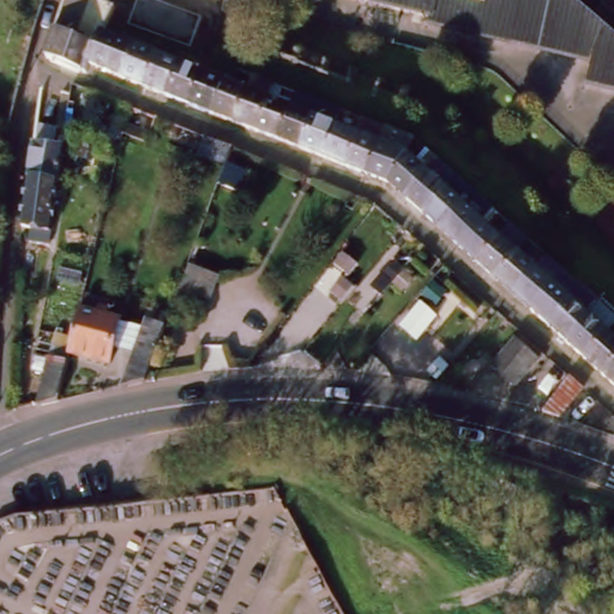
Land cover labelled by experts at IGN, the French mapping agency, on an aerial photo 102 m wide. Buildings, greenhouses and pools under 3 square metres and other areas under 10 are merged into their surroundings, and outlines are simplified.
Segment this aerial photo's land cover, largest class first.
<instances>
[{"label":"impervious surface","instance_id":"1","mask_svg":"<svg viewBox=\"0 0 614 614\"><path fill-rule=\"evenodd\" d=\"M55 10V0H43L26 43L22 72L19 79L12 82L10 108L2 118L5 122H10L12 134L5 142H0V518H7L19 511L34 513L46 508H70L65 523L60 525L7 530L0 537V580L12 583L19 573V568L10 564L14 549H41V556L31 576L26 578L24 590L17 597L0 592V614H98L103 607L108 583L115 576L125 578V592L132 614H154L156 609L146 600V595L154 590L158 571L163 568V564H175L185 554L194 556L197 566L175 571V578L182 580L180 597L175 600L177 614H185L189 604H204V595L194 592V588L206 571H221L218 559H213V549L218 540H228L235 535L233 525H206V542L201 549L192 544L194 532L165 535L158 540L151 559L127 561V542H137L134 530H163L173 523H201L218 518L257 520L240 561L233 566V578L221 602L216 604L221 614H357L350 592L336 568V561L329 552L326 540L307 520L300 499H293L288 494V484L283 480H266L252 482L245 489H257V501L249 506L213 508L209 494H204L199 511L154 513V506L146 499H156L158 484L151 472L158 465V461L154 451L163 449L165 444H177L185 429L192 425L197 422V417H201L209 408L218 403L225 405V420L240 417L242 422L252 415H293L295 405L305 403L324 417H338L343 432H369L372 427L391 420L398 408L427 410L432 420L449 422L451 429H468L475 444L484 446L487 458L535 470L542 494L547 496L549 508L556 501H561L571 516L590 513V508L595 506L602 508L604 518L614 511V398L597 386L576 393L580 408H576L573 415H542L544 393L537 391L532 381H520L511 386L504 379L499 367V341L496 333L482 329L465 343V348L458 355H453L446 362V369L439 377L429 374V369H408L401 362H393L389 353L365 362L362 367L353 362H343L338 367L321 365L317 357L302 350V343H288L281 336L293 314L278 309L276 302L261 290L259 281L269 261L278 254L283 235L288 233V225L297 218L305 194L312 189L314 177L300 175L297 189L290 197V206L281 216V225H276L273 233L264 230L259 249H254L247 257V271L242 276L225 281L223 285L218 283L204 290L199 285L182 283L177 285V293L182 297L197 300L209 309V317L194 331L187 333L185 343L180 345L182 357L197 353L201 343L209 348V360L204 367H185L165 377H151L132 379L127 384H118L110 389H94L89 393L70 396V381L74 377L77 362V357L62 345H41L43 321L46 302L41 300L36 302L31 317H22V331L14 333V273H26V285L31 290H58V281L53 276V257L58 252V242L50 235V228L46 225L31 223V230H17V204L26 165L29 134H41L43 125H53L65 134L67 120H77L72 103H79V91L70 94V82L77 74L62 72L60 67L46 60V55L38 53L41 19ZM12 343L22 345V405L7 410L2 403V353ZM38 355H58L65 362L58 398L36 401L34 391L29 389L31 360ZM122 501H142V516L120 520L98 518L96 506ZM82 532H106V542L113 544V552L94 578L89 602H70L60 600V592H77V588L82 585L74 578H70L72 561L86 559L79 556V542L53 544V537ZM53 559L62 561L60 576L48 590V597H36V585L46 578ZM154 7L170 10L175 14H192L201 22L213 10L223 12V7L230 0H142ZM338 10L345 14H357L362 22H386L410 34L437 36L441 48H446L453 58L470 65L472 70H489L499 74L511 86V94H530L540 101V106L544 120L561 137L568 132L576 134L578 154H585L595 165H600L607 175L614 177V86L590 82V60L578 55L576 50L532 46L508 38H496L494 43H489L482 38L480 24L470 12L453 17L441 26L427 17V12L391 0H336ZM607 24L614 26V0H583ZM300 46H293L290 53L281 48L276 58L312 70L317 74H326V58L302 60ZM413 259H420L425 264V249H413L403 235L393 233V245L374 261V266L365 276L357 283L360 295H350L345 302L355 307L350 314V324L357 326L365 312L369 309L372 300H377V290H386L391 285L398 273L410 276H415Z\"/></svg>","mask_w":614,"mask_h":614},{"label":"herbaceous vegetation","instance_id":"2","mask_svg":"<svg viewBox=\"0 0 614 614\"><path fill-rule=\"evenodd\" d=\"M307 5L312 7V17L300 29L288 31L281 41V48L290 53L293 46H300L302 60L326 58V74H317L312 70L276 58H269L261 65H249L230 55L225 48L223 12L213 10L201 22L192 53L187 55V60L192 62V79L235 94L245 101H254L259 106L269 98L273 84L293 86L314 96H324L326 91L338 98L353 101L343 118H379L386 125L398 127L401 144L408 149V154H420V158H427V168L441 177L446 189L439 194V199L446 192H456L463 194L477 213L496 209V213L513 218L532 245H547L552 254L566 261L573 276L583 278L592 290H597V300H607L614 307V201L604 204L597 213H580L571 204V189L576 185V177L568 168V161L573 154H578L576 134L568 132L561 137L544 120L540 106L530 113L532 132L516 144H504L494 134L492 122L499 110V98L511 94V86L499 74L489 70H472L470 86L463 91H449L441 82L427 77L420 67V53L427 48H441L437 36L410 34L386 22H362L357 14H345L338 10L336 0H307ZM353 34L379 36V46L369 50H353ZM393 96L413 98L425 108V115L420 120H408V115L393 106ZM26 43L10 46L0 41V142H5L12 134L10 122H5L2 118L10 108L12 82L19 79L22 72ZM77 120L89 122L94 130L108 134L113 146L110 163L101 165L91 156L89 144H84L74 158L70 156L67 146L58 151V165H48L46 161L41 163L43 173L53 177L55 187V194L50 199L53 216H48L46 225L50 228V235L58 242V252L53 257V276L58 281V290H46L48 297L41 300L46 302L43 321L72 317L77 302L91 309L113 312L122 321H161L165 319L168 300L158 293V285L173 281L177 285L182 283L187 266L194 264L209 271H218V283L223 285L225 281L242 276L247 271V257L254 249H259L264 230L273 233L276 225H281V216L290 206V197L297 189L300 175L288 165H278L276 161L261 163L259 154L247 151L245 146H230L221 139H216L211 151L197 137H189V127L175 122L170 125L144 108H134L130 101L120 98L113 108L98 101L96 96L79 98V103H72ZM170 156L177 163L201 161L204 173L209 175V180L187 175V206L180 199H175L168 187L165 168L170 163ZM65 173L79 175L86 182H98L106 192V204L101 211L91 213V218L77 230L60 233L58 223L70 201V189L62 185ZM233 189L252 194L257 201H261V206L254 213L249 228H230L225 235H218V204L228 201L233 197ZM96 259L101 264L113 261V269L125 273V293L110 295L103 290L101 281L94 276ZM331 206L338 216L348 221L338 237L326 235V249H331L336 257L350 254L355 259V266L362 269L365 276L374 266V261L393 245V233L403 235L413 249H425L410 230H403L396 221H391L379 206L369 204L365 197L314 177L312 189L305 194L297 218L288 225V233L283 235L278 254H288L295 261V266L293 278L285 285V295H281L276 302L278 309L293 314L297 305L312 293L314 283L326 269L319 259L309 257L305 247V233L309 230L312 209ZM415 276H410L408 290H396L391 285L386 290H377V300H372L369 309L365 312L357 326L350 324V314L355 307L345 302L329 314L326 324L314 333V338L302 343V350L317 357L321 365L338 367L343 362H353L362 367L365 362L389 353L393 362H401L408 369H429V374L439 377L446 369V362L453 355H458L465 348V343L482 329L496 333L499 341L513 336V326L487 305H470L468 300L458 302L456 312L444 321V326L432 331L427 329L420 338H410L398 326V319L415 302H422L420 295L427 290L425 281L429 278V269L425 264L420 259H413ZM288 494L293 499H300L307 520L326 540L329 552L336 561V568L350 592L357 614H530L528 600L511 602L499 592L472 607H465L461 602V592L484 580L480 576H468L463 566H458L456 561L434 554L429 547H425L422 540L413 537V530H403L393 520V513H365L355 508V499L343 492L341 480L331 470L324 477L314 475L307 487L288 484ZM360 537H367L391 552L413 554L420 568L410 578V583L396 592H384L381 585L372 578V571L360 554Z\"/></svg>","mask_w":614,"mask_h":614},{"label":"building","instance_id":"3","mask_svg":"<svg viewBox=\"0 0 614 614\"><path fill-rule=\"evenodd\" d=\"M201 22L192 14H175L170 10L154 7L142 0H55V10L41 19L38 53L46 55V60L60 67L62 72L77 74L70 82V94L79 91V98L96 96L98 101L113 108L120 98L130 101L134 108H144L170 125L175 122L189 127V137H197L211 151L216 139H221L230 146H245L247 151L259 154L261 163L276 161L278 165H288L300 175L314 177L365 197L369 204L379 206L391 221H396L403 230H410L425 249V264L429 269V278L425 281L427 290L420 295L422 302H415L398 319V326L410 338H420L427 329L432 331L444 326V321L456 312L458 302L468 300L470 305H487L513 326V336L499 341V367L504 379L511 386L520 381H532L537 391L544 393L542 415H573L576 408H580L576 393L597 386L614 398V307L607 300H597V290H592L583 278L573 276L566 261L552 254L547 245H532L513 218L496 213V209L477 213L463 194L456 192H446L439 199V194L446 189L441 177L427 168V158H420V154H408V149L401 144L398 127L386 125L379 118H343L353 101L338 98L326 91L324 96H314L293 86L273 84L269 98L259 106L254 101H245L235 94L192 79V62L187 60V55L192 53ZM427 12V17L441 26L453 17L470 12L480 24L482 38L489 43H494L496 38H508L532 46L576 50L578 55L590 60V82L614 86V26L607 24L583 0H391ZM67 146L65 134L53 125H43L41 134H29L26 165L17 204V230H31V223L46 225L48 216H53L50 199L55 194V187L53 177L43 173L41 163L46 161L48 165H58V151ZM365 276L362 269L355 266V259L350 254L336 257V261L326 269L314 283L312 293L297 305L293 314L281 336L288 343H302L314 338V333L326 324L329 314L345 302L350 295H360L357 283ZM182 283L199 285L204 290L218 283V271H209L194 264L187 266ZM391 285L396 290H408L410 276L398 273ZM161 331V321H122L113 312L91 309L77 302L72 317L43 321L41 345H62L77 357V362L96 369L103 379H115L125 372L132 379L151 377V355L158 348L156 336ZM22 345L12 343L2 353V403L7 410L22 405ZM65 362L58 355H38L31 360L29 389L34 391L36 401L58 398Z\"/></svg>","mask_w":614,"mask_h":614},{"label":"deciduous trees","instance_id":"4","mask_svg":"<svg viewBox=\"0 0 614 614\"><path fill-rule=\"evenodd\" d=\"M353 50H369L379 46V36L353 34ZM420 67L427 77L441 82L449 91H463L470 86L472 70L470 65L453 58L446 48H427L420 53ZM540 106V101L530 94H511L499 98V110L492 122L494 134L504 144H516L532 132L530 113ZM393 106L408 115V120H420L425 115V108L413 98L393 96ZM67 146L70 156L74 158L84 144H89L91 156L101 165L110 163L113 146L108 134L94 130L89 122L77 120H67L65 134ZM568 168L576 177V185L571 189V204L580 213H597L604 204L614 201V177L607 175L600 165H595L585 154H573L568 161ZM168 187L175 199H180L187 206V175L209 180V175L204 173L201 161L177 163L170 156V163L165 168ZM62 185L70 189V201L58 223L60 233L77 230L91 218V213L101 211L106 204V192L98 182H86L79 175L65 173ZM261 206V201H257L252 194L233 189V197L228 201L218 204V235H225L230 228H249L254 213ZM348 221L338 216L331 206L312 209L309 230L305 233V247L309 257L319 259L326 269L336 261V257L331 249H326V235L338 237ZM295 266V261L288 254H278L269 261L259 281L261 290L276 302L281 295H285V285L293 278ZM94 276L101 281L103 290L110 295L125 293V273L113 269V261L101 264L96 259ZM158 293L168 300L165 319L170 326H177L187 333L194 331L209 317V309L197 300L182 297L177 293V285L173 281L158 285ZM225 405L218 403L209 408L201 417H197V422L192 425L194 453L211 470L228 461L225 453L213 451L216 441L223 439V427H235L233 439L252 434L254 449L261 451L269 461L290 463L295 468L312 470L314 475L324 477L331 470L329 461L317 458L314 441L329 439L333 434L338 439V451L357 453V458L365 465H372L374 456L391 444L429 453L434 463V475L425 484L429 494V520L422 530H413V537L422 540L425 547H429L434 554L456 561L458 566H463L468 576H480L484 580L511 576L516 559L528 561L530 556L549 566L552 571L544 585H535L523 592H499L511 602L528 600L530 614H535L542 604H554L561 595L568 600L571 607H576L588 595L592 600V614H614V511L604 518L602 508L595 506L590 508V513L571 516L561 501H556L549 508V537L540 540L537 547L528 542V535L518 530L516 520L508 518L506 508L513 504V499L528 501L530 496L542 494L535 470L487 458L484 446L475 444L468 429H451L449 422L432 420L427 410L398 408L391 420L372 427L369 432H343L338 417H324L305 403L295 405L293 415H252L242 422L240 417L225 420ZM492 484L501 489V501L496 508L475 513L470 520L451 513V499L468 501L477 489L484 492ZM580 542H592V549L600 554L597 578L588 580L583 576L588 571V559H571L564 554V547H573Z\"/></svg>","mask_w":614,"mask_h":614},{"label":"coniferous trees","instance_id":"5","mask_svg":"<svg viewBox=\"0 0 614 614\"><path fill-rule=\"evenodd\" d=\"M223 12L225 48L230 55L249 65H261L269 58H276L281 48V41L288 31L300 29L312 17V7L307 5V0H230L223 7ZM187 333L177 326H170L165 319L161 321V331L156 336L158 348L163 353H170V357H182L180 345L185 343ZM317 458L329 461L331 470L341 480L343 492L355 499V508L365 513H393V520L403 530H422L429 520V494L425 484L434 475V463L429 453L391 444L374 456L372 465H365L357 458V453L338 451V439L333 434L329 439L314 441ZM501 501V489L492 484L484 492L477 489L468 501L451 499V513L470 520L475 513L496 508ZM508 518L516 520L518 530L528 535V542L537 547L540 540L549 537V508L547 496L542 494L530 496L528 501L513 499V504L506 508ZM564 554L571 559H588V571L583 576L588 580L597 578L600 554L592 549V542H580L573 547H564Z\"/></svg>","mask_w":614,"mask_h":614},{"label":"pervious surface","instance_id":"6","mask_svg":"<svg viewBox=\"0 0 614 614\"><path fill-rule=\"evenodd\" d=\"M213 508L249 506L257 501V489H245L225 487V492L209 494ZM204 494L156 499H146L154 506V513L199 511ZM98 518L120 520L142 516V501H122L96 506ZM70 508H46L34 513L19 511L7 518H0V537L7 530L60 525L65 523ZM233 525L235 535L228 540H218L213 549V559H218L221 571H206L194 588V592L204 595V604H189L185 614H221L216 604L221 602L233 578V566L240 561L257 520L218 518L201 523H173L163 530H134L137 542H127V561L151 559L158 540L165 535L194 532L192 544L201 549L206 542V525ZM79 542V556L86 559L72 561L70 578H74L82 585L77 588V592H60V600L70 602H89L94 578L113 552V544L106 542V532H82L53 537V544ZM41 556V549H14L10 564L19 568V573L12 583L0 580V592L17 597L24 590L26 578L31 576ZM197 566L194 556L185 554L175 564H163V568L158 571L154 590L146 595V600L156 609L154 614H177L175 600L180 597L182 580L175 578V571ZM62 561L53 559L46 578L36 585V597H48V590L60 576ZM98 614H132L125 592V578L115 576L108 583L103 607Z\"/></svg>","mask_w":614,"mask_h":614},{"label":"brushwood","instance_id":"7","mask_svg":"<svg viewBox=\"0 0 614 614\"><path fill-rule=\"evenodd\" d=\"M43 0H0V41L10 46L26 43ZM48 297L46 290H31L26 285V273H14V333L22 331V317H31L36 302L41 300ZM209 360V348L201 343L197 353L182 357H170V353H163L158 348L151 355V377H165L185 367H204ZM132 379L125 372L115 379H103L96 369L77 362L74 377L70 381V396L89 393L94 389H110L118 384H127ZM235 427H223V439L216 441L213 451L225 453L228 461L211 470L194 453L192 425L185 429L177 444H165L163 449L154 451L158 461V465L151 472L158 484L156 499L204 494H209L225 492V487L245 489L252 482L266 480H283L288 484L307 487L314 475L312 470L295 468L290 463L269 461L261 451L254 449L252 434L233 439Z\"/></svg>","mask_w":614,"mask_h":614},{"label":"bare soil","instance_id":"8","mask_svg":"<svg viewBox=\"0 0 614 614\"><path fill-rule=\"evenodd\" d=\"M360 554L372 571V578L381 585L384 592H396L410 583V578L420 568L413 554L391 552L367 537H360ZM552 571L549 566L530 556L528 561L516 559L511 576L484 580L461 592V602L465 607H472L499 592H523L535 585H544ZM592 600L588 595L576 607H571L568 600L561 595L554 604H542L535 614H592Z\"/></svg>","mask_w":614,"mask_h":614}]
</instances>
